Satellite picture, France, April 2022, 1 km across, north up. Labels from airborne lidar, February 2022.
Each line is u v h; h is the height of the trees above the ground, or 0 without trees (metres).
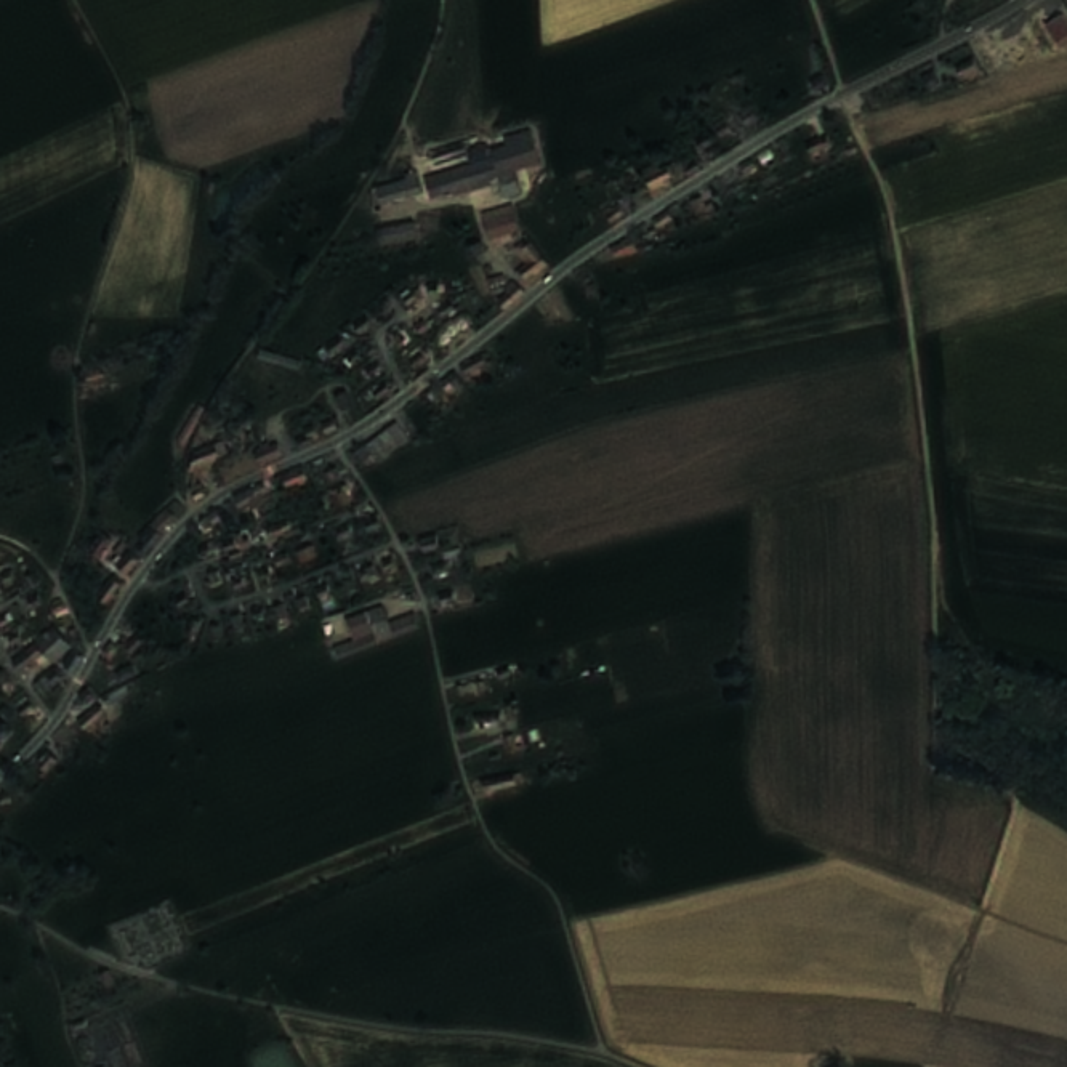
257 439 6
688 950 0
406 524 0
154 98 0
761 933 0
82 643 13
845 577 0
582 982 0
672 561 0
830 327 0
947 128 0
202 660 0
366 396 0
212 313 14
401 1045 0
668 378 0
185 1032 0
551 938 0
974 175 0
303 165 0
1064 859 0
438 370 0
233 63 0
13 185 0
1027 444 0
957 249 0
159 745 0
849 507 0
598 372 0
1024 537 0
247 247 13
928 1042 0
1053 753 21
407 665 0
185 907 0
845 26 0
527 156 0
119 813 0
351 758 0
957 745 19
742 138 0
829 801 0
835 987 0
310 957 0
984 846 0
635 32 0
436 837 0
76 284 0
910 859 0
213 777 0
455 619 0
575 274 0
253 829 0
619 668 0
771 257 0
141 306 0
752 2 0
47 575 0
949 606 0
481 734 0
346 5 0
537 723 0
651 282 0
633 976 0
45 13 0
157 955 0
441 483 0
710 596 0
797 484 0
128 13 0
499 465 0
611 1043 0
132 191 0
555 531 0
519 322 0
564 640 0
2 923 0
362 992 0
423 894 0
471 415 0
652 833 0
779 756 0
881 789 0
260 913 0
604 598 0
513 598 0
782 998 0
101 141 0
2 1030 13
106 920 0
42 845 0
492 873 0
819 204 0
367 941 0
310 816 0
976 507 0
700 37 0
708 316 0
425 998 0
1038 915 0
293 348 0
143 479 0
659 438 0
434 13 0
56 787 0
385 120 0
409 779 0
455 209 0
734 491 0
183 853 0
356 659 0
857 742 0
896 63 0
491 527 0
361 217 0
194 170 0
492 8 0
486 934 0
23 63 0
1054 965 0
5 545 0
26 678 0
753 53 0
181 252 0
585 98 0
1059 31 0
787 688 0
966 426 0
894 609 0
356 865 0
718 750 0
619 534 0
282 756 0
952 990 0
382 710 0
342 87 0
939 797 0
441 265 0
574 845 0
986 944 0
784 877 0
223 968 0
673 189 0
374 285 0
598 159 0
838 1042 0
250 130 0
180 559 9
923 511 0
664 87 0
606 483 0
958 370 0
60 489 0
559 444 0
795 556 0
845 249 0
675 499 0
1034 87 0
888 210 0
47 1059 0
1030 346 0
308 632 0
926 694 0
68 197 0
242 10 0
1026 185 0
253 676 0
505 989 0
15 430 0
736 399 0
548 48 0
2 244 0
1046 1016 0
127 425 0
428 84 0
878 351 0
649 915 0
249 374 0
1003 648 0
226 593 0
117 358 12
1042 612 0
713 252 0
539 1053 0
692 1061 0
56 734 0
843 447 0
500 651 0
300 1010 0
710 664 0
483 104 0
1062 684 25
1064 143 0
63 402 0
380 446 0
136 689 0
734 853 0
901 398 0
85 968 0
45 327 0
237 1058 0
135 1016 0
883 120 0
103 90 0
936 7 7
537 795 0
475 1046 0
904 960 0
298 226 12
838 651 0
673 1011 0
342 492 0
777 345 0
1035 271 0
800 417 0
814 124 0
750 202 7
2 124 0
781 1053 0
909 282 0
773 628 0
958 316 0
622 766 0
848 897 0
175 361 20
